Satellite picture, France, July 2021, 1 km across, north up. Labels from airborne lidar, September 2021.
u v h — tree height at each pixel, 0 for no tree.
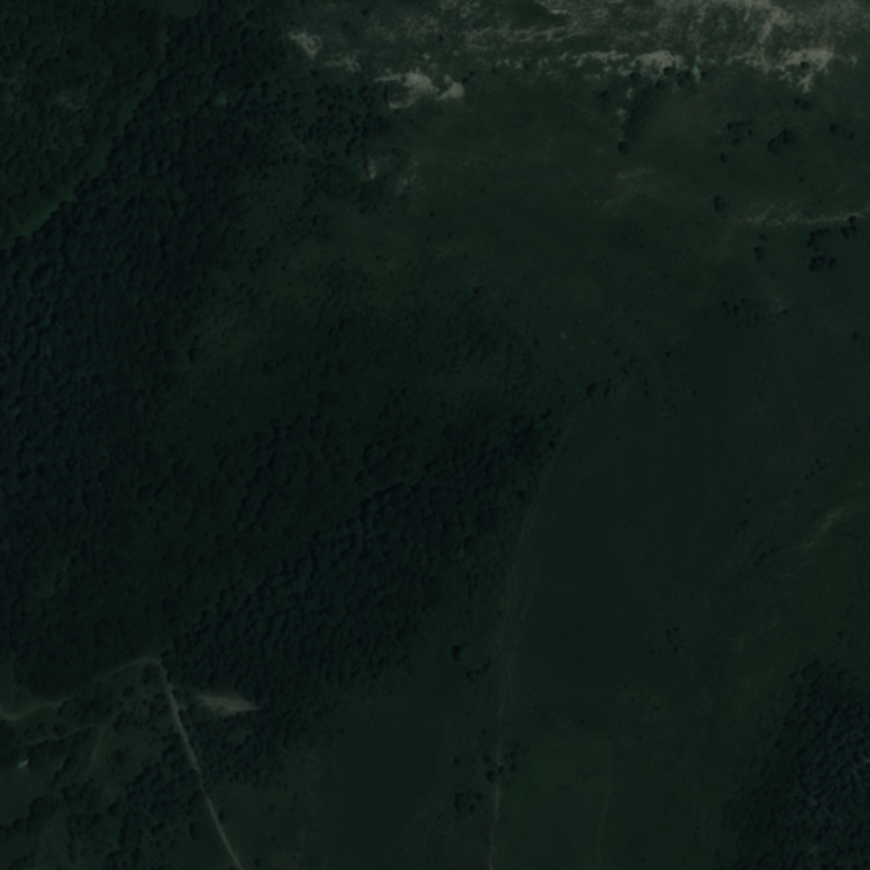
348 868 0
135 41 7
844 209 0
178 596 9
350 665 7
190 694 6
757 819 8
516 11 0
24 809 0
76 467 24
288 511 18
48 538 15
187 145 27
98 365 28
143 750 0
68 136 24
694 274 0
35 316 27
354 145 10
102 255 29
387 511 32
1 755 19
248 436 6
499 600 0
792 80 0
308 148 7
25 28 17
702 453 0
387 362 10
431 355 7
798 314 0
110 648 16
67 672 10
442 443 6
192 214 20
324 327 8
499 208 0
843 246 0
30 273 19
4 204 16
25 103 11
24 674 11
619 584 0
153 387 9
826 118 0
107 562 21
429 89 0
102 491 22
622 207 0
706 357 0
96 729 8
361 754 0
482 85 0
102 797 9
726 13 0
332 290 7
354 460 9
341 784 0
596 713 0
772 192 0
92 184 8
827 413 0
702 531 0
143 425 18
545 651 0
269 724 12
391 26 0
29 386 31
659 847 0
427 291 0
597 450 0
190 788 9
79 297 30
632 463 0
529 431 16
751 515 0
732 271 0
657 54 0
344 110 7
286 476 7
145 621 10
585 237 0
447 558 16
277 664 11
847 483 0
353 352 6
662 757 0
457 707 0
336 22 0
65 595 9
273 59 7
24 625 18
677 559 0
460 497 19
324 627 17
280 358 10
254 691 12
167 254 31
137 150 23
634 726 0
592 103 0
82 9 15
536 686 0
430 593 24
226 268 10
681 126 0
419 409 8
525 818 0
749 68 0
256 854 0
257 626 22
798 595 0
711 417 0
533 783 0
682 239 0
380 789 0
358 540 24
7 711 0
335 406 19
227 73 20
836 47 0
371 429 8
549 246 0
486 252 0
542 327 0
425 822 0
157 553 12
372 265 0
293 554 9
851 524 0
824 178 0
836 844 13
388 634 16
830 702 23
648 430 0
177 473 22
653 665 0
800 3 0
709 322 0
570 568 0
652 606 0
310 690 9
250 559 12
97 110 12
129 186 29
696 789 0
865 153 0
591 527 0
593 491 0
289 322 8
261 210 0
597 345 0
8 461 26
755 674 0
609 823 0
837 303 0
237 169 13
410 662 7
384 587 28
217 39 23
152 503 7
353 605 26
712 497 0
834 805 17
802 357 0
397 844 0
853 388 0
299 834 0
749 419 0
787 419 0
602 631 0
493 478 18
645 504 0
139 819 17
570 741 0
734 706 0
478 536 6
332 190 7
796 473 0
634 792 0
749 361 0
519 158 0
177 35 12
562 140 0
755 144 0
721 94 0
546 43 0
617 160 0
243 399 8
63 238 21
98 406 29
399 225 0
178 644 16
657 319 0
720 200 14
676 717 0
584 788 0
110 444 24
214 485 18
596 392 12
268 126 7
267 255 12
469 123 0
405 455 22
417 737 0
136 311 25
